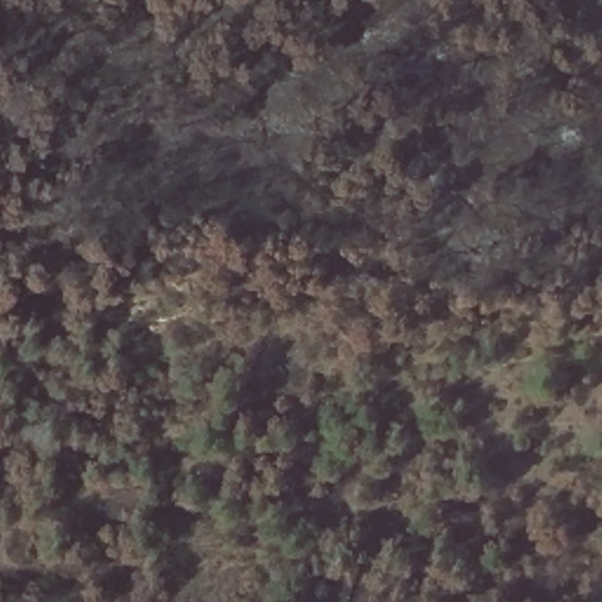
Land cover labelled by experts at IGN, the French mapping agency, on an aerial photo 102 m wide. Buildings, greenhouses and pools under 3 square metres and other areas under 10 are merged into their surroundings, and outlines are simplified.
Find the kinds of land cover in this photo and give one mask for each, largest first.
<instances>
[{"label":"coniferous trees","instance_id":"1","mask_svg":"<svg viewBox=\"0 0 602 602\"><path fill-rule=\"evenodd\" d=\"M397 7L407 16V35H402L395 45L379 49L374 61L355 71V96L350 99L346 111L327 118L310 136L294 143L289 158L285 160L275 193L256 205L254 219L233 221L219 207L209 205L167 212L160 202L146 205V190L136 186L129 193V205L122 212V219L115 228L106 230L103 226H94L89 230L87 226H82L80 188L82 183L94 181V174L101 169V160L87 151L63 155V143L71 141L75 132L82 127V122L94 115V101L99 99V92L103 87H118L122 82V66L108 63L103 54L108 45L120 42V35L136 31L141 24H146L148 33H153L162 42H172L174 35H179L183 40L179 47V59H190V85L186 87V96L190 101L207 96L212 92L209 78L216 73L221 78H233L240 85L252 82L254 94L249 96V101L240 106V111L247 118H254L259 111H263L268 89L275 82L285 80L292 66H310L320 40L332 47L360 42L362 33L372 21V12H395ZM0 94L14 99L19 115V122L14 125L16 129L0 143V602H602V228L597 221H583L574 212L557 209L543 190L527 186V181L494 179L491 183H482L480 160H473L466 167H456L452 158V143L447 141V136L454 132L456 125L437 127V122L444 120L447 113H470L484 99H489L494 111L508 120H517L527 111L555 108L574 125H581L586 132L602 134V0H0Z\"/></svg>","mask_w":602,"mask_h":602},{"label":"bare soil","instance_id":"2","mask_svg":"<svg viewBox=\"0 0 602 602\"><path fill-rule=\"evenodd\" d=\"M407 16L397 7L395 12H372V21L362 33L360 42L332 47L320 40L310 66H292L285 80L275 82L268 89L263 111H259L254 118H247L240 111V106L249 101V96L254 94L252 82L240 85L233 78H221L216 73L209 78L212 92L207 96L190 101L186 96V87L190 85V59H179V47L183 40L179 35H174L172 42H162L153 33H148L146 24H141L136 31L120 35V42L108 45L103 54L108 63L122 66V82L118 87H103L99 92V99L94 101V115L82 122V127L75 132L71 141L63 143V155L87 151L101 160V169L94 174V181L82 183L80 188L82 226H87L89 230L94 226H103L106 230L115 228L122 219V212L129 205V193L136 186L146 190V205L160 202L167 212L209 205L219 207L233 221L254 219L256 205L275 193L285 160L289 158L294 143L310 136L327 118L346 111L350 99L355 96V71L374 61L379 49L395 45L402 35H407ZM19 122V115L14 99L0 94V143L16 129L14 125ZM456 125L454 132L447 136V141L452 143V158L456 167H466L473 160H480L482 183H491L494 179L527 181V186L543 190L557 209L574 212L583 221H597L602 228V134L586 132L581 125H574L555 108L527 111L517 120H508L494 111L489 99H484L470 113H447L444 120L437 122V127Z\"/></svg>","mask_w":602,"mask_h":602}]
</instances>
